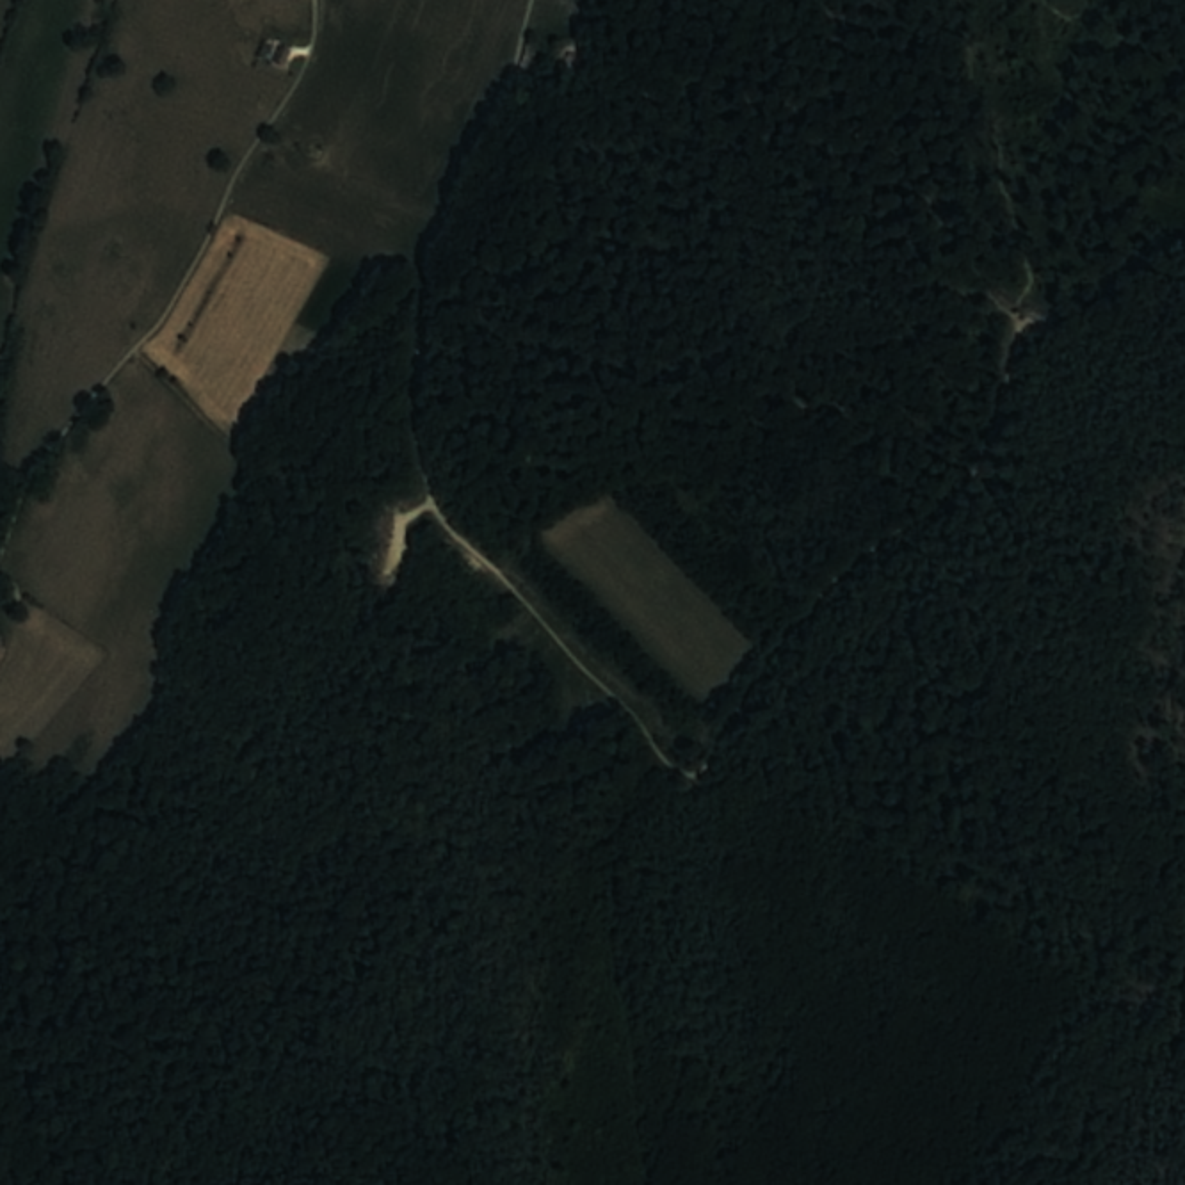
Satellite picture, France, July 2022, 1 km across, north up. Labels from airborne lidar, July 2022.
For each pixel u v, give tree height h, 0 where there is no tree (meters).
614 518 0
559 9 0
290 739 14
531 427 28
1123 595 20
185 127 0
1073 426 15
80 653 0
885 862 10
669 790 18
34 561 0
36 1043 25
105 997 25
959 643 25
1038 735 16
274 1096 21
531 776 24
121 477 0
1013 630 20
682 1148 14
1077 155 35
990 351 28
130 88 0
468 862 18
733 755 15
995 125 29
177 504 0
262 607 20
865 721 28
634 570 0
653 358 23
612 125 16
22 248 20
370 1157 24
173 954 19
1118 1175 17
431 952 22
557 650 0
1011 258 29
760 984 11
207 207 0
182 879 19
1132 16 13
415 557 15
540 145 27
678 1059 8
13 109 0
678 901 17
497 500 29
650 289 25
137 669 0
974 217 33
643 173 25
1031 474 21
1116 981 23
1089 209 30
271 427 25
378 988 21
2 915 23
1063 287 21
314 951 25
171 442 0
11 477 20
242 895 20
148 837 23
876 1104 14
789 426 29
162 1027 26
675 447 30
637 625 0
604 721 28
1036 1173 25
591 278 25
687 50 27
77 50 18
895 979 10
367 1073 19
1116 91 31
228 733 20
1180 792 24
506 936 20
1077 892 20
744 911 8
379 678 21
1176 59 25
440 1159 30
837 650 19
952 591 24
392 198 0
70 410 0
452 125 0
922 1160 16
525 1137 23
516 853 26
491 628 22
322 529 22
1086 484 22
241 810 20
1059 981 11
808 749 22
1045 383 15
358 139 0
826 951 8
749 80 26
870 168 29
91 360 0
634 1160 9
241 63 0
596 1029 11
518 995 18
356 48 0
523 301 29
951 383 31
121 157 0
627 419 32
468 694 23
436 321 22
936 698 22
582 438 28
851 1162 17
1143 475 17
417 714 20
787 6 28
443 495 15
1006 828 25
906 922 11
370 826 21
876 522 20
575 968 15
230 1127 19
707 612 0
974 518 27
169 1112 23
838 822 21
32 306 0
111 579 0
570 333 33
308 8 0
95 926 25
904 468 28
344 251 0
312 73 0
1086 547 20
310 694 13
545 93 24
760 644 8
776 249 19
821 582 28
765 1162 15
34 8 0
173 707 20
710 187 24
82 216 0
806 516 29
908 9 32
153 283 0
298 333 0
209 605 24
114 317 0
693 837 20
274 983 21
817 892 8
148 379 0
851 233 27
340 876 25
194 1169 20
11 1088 30
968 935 12
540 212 28
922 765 22
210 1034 20
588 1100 8
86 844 23
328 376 25
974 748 28
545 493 20
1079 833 20
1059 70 0
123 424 0
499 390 25
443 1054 21
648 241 24
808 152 30
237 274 0
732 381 28
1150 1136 14
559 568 9
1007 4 7
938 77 26
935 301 27
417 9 0
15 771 13
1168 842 21
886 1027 16
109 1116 18
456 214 22
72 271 0
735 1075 19
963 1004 13
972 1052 15
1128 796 19
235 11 0
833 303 20
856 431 26
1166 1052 17
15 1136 20
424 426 17
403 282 25
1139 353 20
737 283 18
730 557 8
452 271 26
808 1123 15
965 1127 12
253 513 24
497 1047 19
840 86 28
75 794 11
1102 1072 17
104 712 0
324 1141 26
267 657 19
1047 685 19
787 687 18
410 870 21
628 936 18
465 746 16
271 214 0
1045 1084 8
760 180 19
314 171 0
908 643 24
